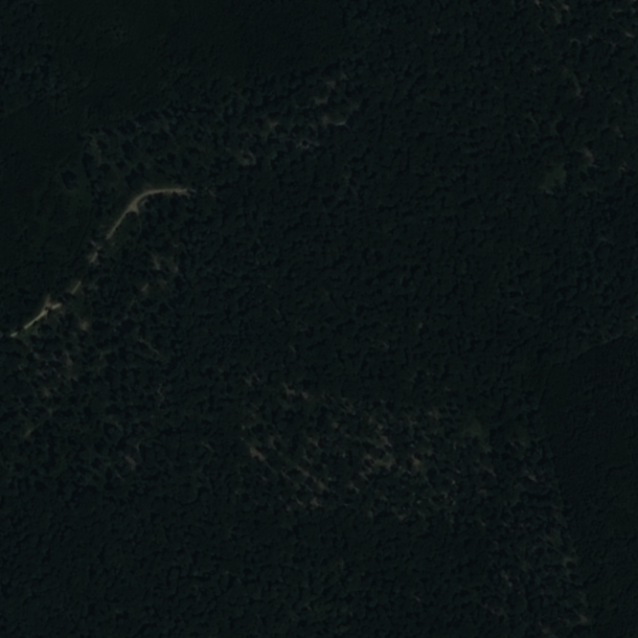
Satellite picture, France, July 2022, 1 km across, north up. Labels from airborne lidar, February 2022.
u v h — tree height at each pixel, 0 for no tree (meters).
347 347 28
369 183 27
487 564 22
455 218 14
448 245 24
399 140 20
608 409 8
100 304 24
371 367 29
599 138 21
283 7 16
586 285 30
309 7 17
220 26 12
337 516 26
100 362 31
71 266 11
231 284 23
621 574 22
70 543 25
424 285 26
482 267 27
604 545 13
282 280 23
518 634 24
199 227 28
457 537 29
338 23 15
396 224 24
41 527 28
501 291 23
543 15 25
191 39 10
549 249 28
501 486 25
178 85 6
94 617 25
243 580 21
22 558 28
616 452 8
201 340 24
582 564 11
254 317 23
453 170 24
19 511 29
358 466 28
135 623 26
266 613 23
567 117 29
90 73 6
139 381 22
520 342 19
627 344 10
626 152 25
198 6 11
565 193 24
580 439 9
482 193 26
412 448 27
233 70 12
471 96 24
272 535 27
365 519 30
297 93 25
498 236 28
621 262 22
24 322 9
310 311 26
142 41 9
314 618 25
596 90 21
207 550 29
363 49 25
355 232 25
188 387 26
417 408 28
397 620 32
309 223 24
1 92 28
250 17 18
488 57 23
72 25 9
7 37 30
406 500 28
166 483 25
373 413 27
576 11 23
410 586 30
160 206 26
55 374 28
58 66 9
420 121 24
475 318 27
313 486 26
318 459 26
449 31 24
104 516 26
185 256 9
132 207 0
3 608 27
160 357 21
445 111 20
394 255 27
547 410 9
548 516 23
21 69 32
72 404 8
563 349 26
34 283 9
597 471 12
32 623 23
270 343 29
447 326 24
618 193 28
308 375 26
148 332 24
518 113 28
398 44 27
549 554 21
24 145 8
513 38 25
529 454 22
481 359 28
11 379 31
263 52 22
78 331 30
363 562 25
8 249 8
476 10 26
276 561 22
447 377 27
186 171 26
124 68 6
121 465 22
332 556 26
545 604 24
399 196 24
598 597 14
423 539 28
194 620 29
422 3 25
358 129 23
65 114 6
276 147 27
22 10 23
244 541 27
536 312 19
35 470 0
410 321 28
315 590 25
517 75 24
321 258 27
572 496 8
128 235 0
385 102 26
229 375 24
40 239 0
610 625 12
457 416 27
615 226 25
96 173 23
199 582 30
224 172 30
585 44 27
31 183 8
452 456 29
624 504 17
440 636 28
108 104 12
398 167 23
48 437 6
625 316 25
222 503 28
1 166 9
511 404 24
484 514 27
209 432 24
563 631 29
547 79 24
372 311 25
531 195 24
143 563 27
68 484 12
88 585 24
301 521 26
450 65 24
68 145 7
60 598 22
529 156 8
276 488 27
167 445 24
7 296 9
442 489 30
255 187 27
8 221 9
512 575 28
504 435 29
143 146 27
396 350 24
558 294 25
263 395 28
